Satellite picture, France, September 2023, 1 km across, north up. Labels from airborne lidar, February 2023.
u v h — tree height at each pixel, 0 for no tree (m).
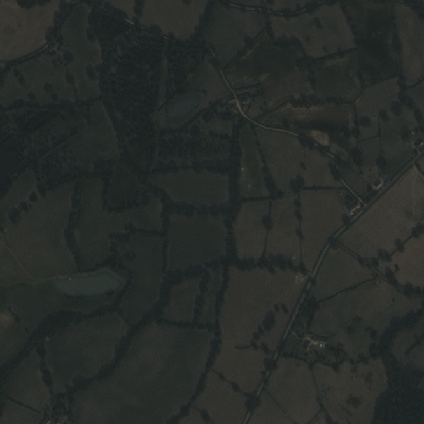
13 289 0
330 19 0
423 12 16
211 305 0
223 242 0
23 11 0
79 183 11
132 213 0
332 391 0
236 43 0
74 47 0
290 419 0
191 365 0
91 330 0
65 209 0
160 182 0
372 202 0
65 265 0
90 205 0
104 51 12
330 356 0
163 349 0
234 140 12
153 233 7
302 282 0
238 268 15
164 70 0
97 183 0
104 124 0
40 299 0
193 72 10
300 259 0
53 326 15
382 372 0
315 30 0
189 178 0
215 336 9
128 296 0
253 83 0
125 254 0
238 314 0
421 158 0
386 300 0
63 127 0
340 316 0
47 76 0
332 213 0
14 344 0
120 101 10
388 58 0
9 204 0
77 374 0
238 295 0
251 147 0
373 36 0
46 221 0
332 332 0
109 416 0
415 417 20
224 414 0
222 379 12
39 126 8
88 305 0
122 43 14
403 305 0
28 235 0
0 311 0
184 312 0
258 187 0
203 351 0
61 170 0
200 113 7
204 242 0
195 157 9
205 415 17
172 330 0
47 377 14
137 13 17
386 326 0
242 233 0
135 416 0
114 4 0
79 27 0
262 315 0
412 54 0
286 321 0
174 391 0
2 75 14
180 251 0
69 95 0
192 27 0
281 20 0
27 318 0
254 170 0
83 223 0
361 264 16
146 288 0
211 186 0
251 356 0
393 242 0
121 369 0
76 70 0
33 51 0
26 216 0
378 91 0
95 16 15
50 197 0
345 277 0
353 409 0
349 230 0
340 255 0
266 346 13
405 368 0
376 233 0
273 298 0
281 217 0
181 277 18
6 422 0
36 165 16
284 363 0
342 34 0
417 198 0
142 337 0
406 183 0
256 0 0
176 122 0
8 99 0
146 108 9
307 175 0
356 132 15
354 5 0
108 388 0
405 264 0
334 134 0
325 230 0
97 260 0
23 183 0
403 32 0
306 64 18
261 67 0
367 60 0
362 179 0
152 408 0
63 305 0
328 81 0
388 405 26
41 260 0
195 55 18
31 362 0
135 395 0
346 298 0
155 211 0
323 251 0
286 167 0
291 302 0
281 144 0
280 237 0
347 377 0
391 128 0
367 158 0
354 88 0
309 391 0
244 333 0
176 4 0
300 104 14
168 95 8
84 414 0
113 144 0
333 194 0
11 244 0
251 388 0
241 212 0
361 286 0
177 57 10
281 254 0
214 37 0
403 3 15
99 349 0
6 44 0
